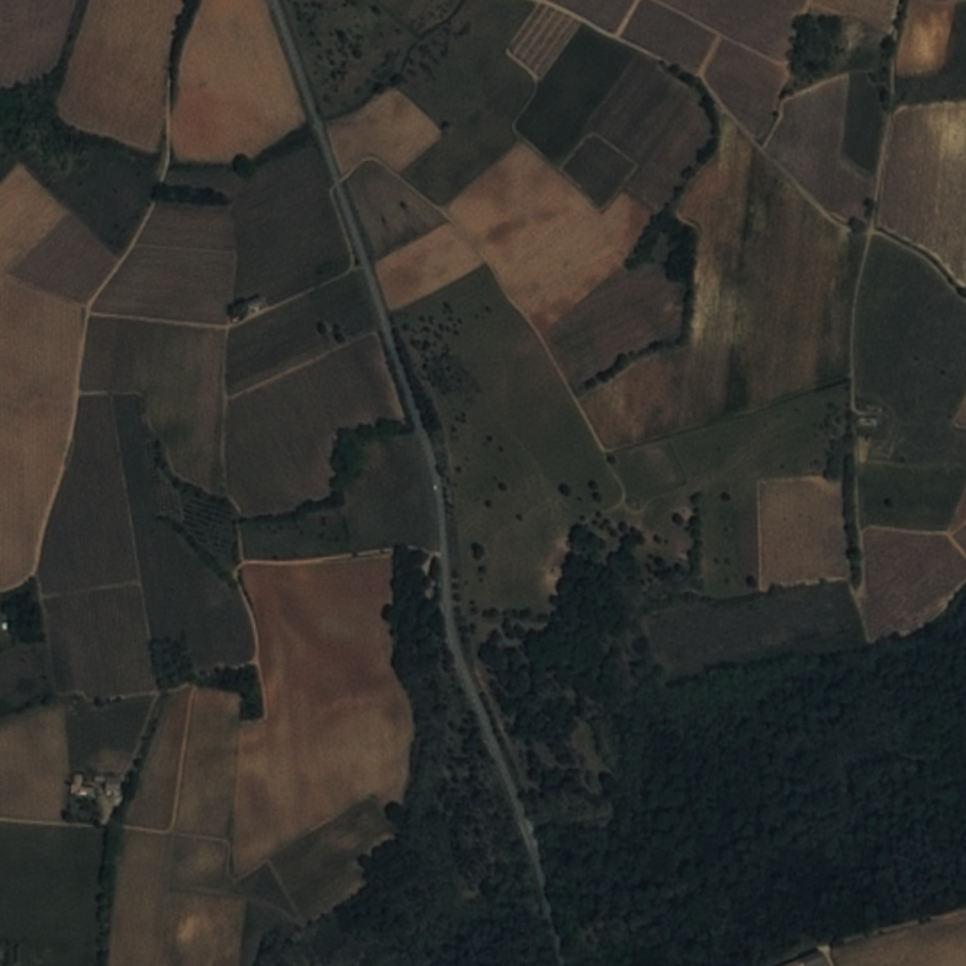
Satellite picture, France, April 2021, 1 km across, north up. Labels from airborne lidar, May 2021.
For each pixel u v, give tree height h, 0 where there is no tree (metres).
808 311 0
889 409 0
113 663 0
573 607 16
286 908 0
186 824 0
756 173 0
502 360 0
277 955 13
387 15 0
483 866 8
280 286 0
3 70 0
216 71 0
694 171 8
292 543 0
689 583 9
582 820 11
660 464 0
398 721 0
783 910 10
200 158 0
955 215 0
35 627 9
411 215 0
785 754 12
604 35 0
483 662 10
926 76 0
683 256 6
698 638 0
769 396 0
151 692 0
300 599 0
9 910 0
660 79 0
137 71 0
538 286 0
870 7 0
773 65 0
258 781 0
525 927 17
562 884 18
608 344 0
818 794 16
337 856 0
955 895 11
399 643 7
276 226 0
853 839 11
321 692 0
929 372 0
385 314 0
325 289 0
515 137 0
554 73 0
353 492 0
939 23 0
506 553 0
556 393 0
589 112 0
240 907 0
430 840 18
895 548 0
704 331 0
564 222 0
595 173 0
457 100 0
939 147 0
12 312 0
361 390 0
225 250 0
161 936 0
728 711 10
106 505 0
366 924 14
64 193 0
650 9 0
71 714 0
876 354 0
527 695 13
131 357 0
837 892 7
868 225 8
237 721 0
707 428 0
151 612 0
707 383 0
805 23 13
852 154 0
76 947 0
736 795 10
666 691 14
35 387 0
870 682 13
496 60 0
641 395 0
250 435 0
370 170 0
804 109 0
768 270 0
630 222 0
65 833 0
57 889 0
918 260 0
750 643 0
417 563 8
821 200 0
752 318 0
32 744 0
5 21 0
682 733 8
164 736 0
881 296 0
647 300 0
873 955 0
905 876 16
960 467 0
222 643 0
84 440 0
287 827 0
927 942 0
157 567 0
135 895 0
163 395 0
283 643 0
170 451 0
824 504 0
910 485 0
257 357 0
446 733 9
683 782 14
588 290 0
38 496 0
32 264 0
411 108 0
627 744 15
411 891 13
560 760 8
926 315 0
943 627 9
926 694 20
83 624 0
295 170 0
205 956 0
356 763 0
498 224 0
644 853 14
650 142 0
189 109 0
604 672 13
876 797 12
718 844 10
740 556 0
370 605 0
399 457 0
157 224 0
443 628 9
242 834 0
